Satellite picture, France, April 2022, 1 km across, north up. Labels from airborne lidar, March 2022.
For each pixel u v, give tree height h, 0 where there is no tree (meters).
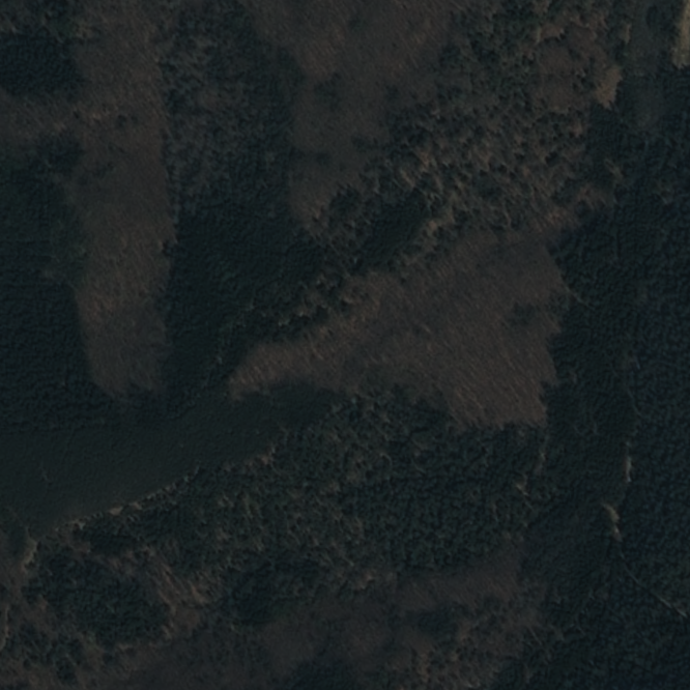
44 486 13
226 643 11
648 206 29
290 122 15
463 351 18
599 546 23
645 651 31
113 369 24
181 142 22
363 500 20
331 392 15
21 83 24
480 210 25
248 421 15
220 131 16
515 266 25
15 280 16
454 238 24
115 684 16
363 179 13
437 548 30
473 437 14
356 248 19
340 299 10
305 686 13
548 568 13
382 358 20
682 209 23
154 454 10
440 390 13
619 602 22
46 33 22
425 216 20
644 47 7
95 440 11
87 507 11
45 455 12
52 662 20
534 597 11
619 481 14
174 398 13
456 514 28
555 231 24
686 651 14
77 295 18
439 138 14
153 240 21
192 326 15
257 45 16
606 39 26
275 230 16
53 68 21
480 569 22
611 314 24
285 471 23
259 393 14
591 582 19
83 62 22
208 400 10
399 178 21
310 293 12
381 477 23
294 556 20
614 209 20
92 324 19
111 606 28
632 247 35
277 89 11
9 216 12
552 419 16
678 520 19
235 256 14
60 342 23
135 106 24
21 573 15
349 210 12
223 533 17
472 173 18
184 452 12
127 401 16
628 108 16
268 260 16
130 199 18
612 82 27
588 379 21
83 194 18
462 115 15
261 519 21
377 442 20
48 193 17
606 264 25
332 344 25
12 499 10
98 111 25
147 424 12
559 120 8
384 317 26
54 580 8
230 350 13
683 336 26
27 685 19
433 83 20
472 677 26
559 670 24
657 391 29
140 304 19
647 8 7
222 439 11
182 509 20
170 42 19
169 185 14
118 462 11
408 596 14
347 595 13
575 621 19
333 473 19
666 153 22
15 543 13
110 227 20
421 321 22
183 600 31
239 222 18
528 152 10
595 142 16
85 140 20
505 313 24
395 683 11
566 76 11
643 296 23
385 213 23
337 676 15
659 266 32
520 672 15
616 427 21
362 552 16
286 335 18
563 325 18
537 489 29
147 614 28
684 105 18
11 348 16
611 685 10
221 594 27
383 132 14
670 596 30
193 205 25
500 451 29
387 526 31
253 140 18
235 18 12
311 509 20
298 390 18
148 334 25
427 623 17
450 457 28
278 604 11
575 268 19
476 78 10
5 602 12
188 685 13
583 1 12
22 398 18
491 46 7
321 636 14
